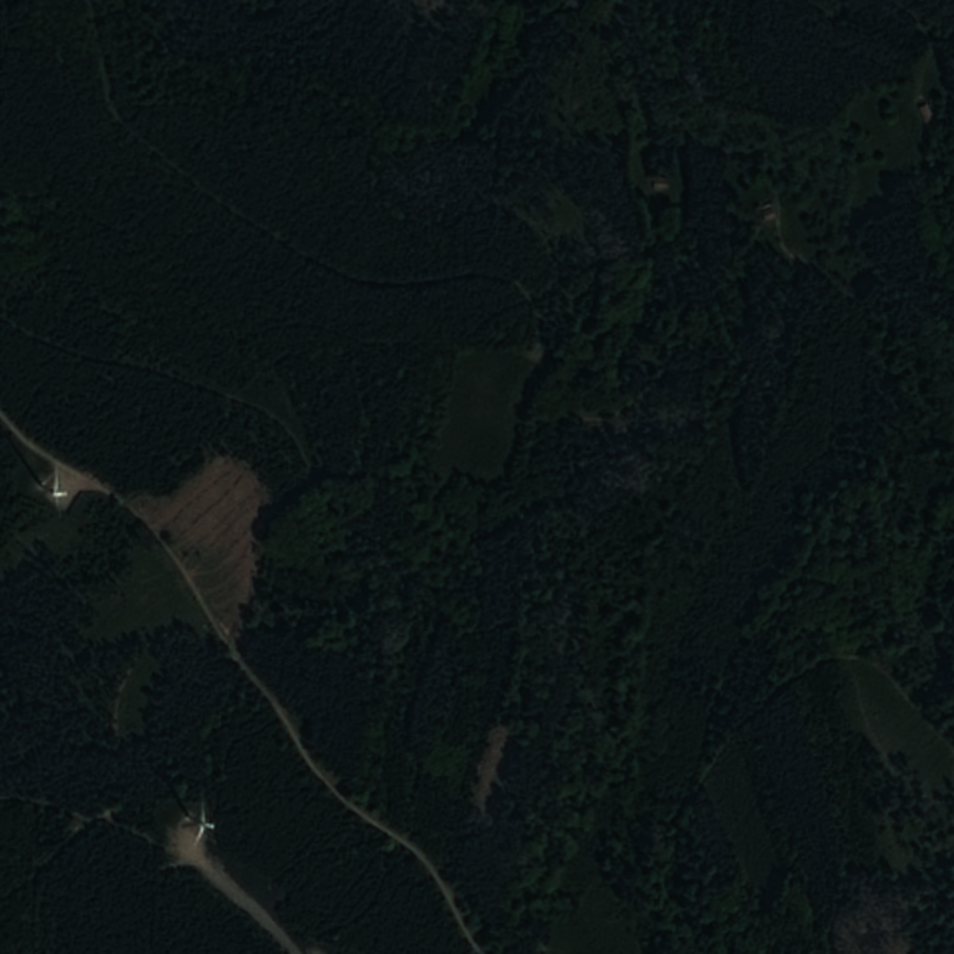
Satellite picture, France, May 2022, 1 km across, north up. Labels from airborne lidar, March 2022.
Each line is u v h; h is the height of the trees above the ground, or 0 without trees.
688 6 31
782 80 23
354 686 20
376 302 20
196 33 36
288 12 27
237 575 0
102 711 18
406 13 23
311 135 16
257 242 18
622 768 28
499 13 26
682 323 28
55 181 18
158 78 14
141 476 12
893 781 32
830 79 26
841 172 22
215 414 10
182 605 0
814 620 27
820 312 11
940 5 26
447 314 19
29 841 9
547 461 15
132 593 0
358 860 8
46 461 0
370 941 11
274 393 0
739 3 16
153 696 20
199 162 16
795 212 0
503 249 19
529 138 27
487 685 16
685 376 30
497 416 0
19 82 16
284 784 9
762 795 11
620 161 32
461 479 24
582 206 26
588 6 9
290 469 10
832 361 15
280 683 28
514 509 15
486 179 28
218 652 23
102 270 12
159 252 15
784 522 11
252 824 9
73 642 19
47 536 0
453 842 15
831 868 15
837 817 7
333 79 17
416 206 24
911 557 30
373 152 25
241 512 0
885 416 25
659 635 14
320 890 10
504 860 26
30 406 11
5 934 10
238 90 18
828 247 11
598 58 0
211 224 16
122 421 11
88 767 24
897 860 0
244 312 18
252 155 19
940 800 0
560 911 17
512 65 19
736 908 22
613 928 0
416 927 10
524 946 28
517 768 32
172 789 21
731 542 10
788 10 23
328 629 29
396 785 14
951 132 22
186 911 13
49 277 9
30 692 19
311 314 20
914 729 0
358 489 31
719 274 31
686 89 19
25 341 11
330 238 19
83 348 11
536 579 32
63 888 11
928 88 0
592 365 28
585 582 11
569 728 30
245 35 24
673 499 12
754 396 30
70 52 13
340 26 17
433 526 29
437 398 15
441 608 23
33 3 23
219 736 11
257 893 0
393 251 18
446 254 18
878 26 21
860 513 25
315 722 22
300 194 20
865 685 0
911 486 9
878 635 11
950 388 23
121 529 8
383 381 13
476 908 25
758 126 0
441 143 27
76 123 19
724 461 9
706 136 23
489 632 11
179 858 0
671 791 12
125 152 18
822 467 13
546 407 28
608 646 10
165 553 0
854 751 7
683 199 0
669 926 30
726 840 19
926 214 31
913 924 24
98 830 12
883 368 9
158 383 8
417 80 29
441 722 29
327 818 11
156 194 13
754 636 19
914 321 28
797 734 18
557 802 28
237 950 11
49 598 27
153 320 14
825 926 17
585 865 8
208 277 18
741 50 16
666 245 32
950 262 26
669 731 13
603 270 29
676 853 30
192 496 0
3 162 20
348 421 16
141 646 22
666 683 9
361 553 31
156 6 25
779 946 20
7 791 22
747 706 19
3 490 7
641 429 28
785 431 11
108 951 12
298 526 29
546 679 27
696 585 13
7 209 26
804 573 28
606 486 32
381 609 22
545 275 21
